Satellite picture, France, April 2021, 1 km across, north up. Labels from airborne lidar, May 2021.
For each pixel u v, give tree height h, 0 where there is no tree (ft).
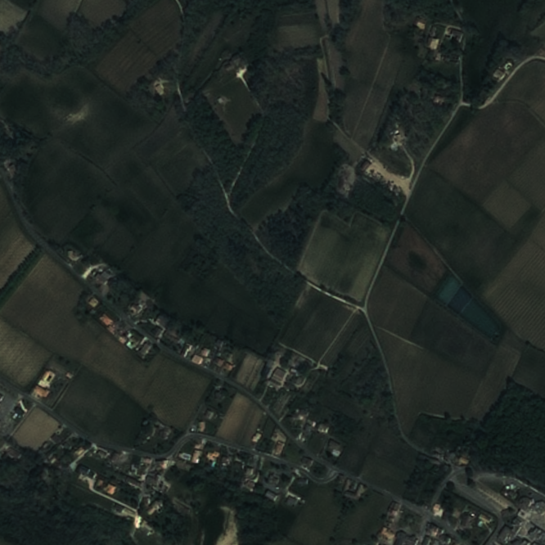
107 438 0
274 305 49
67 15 0
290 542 0
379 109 0
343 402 0
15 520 43
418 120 49
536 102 0
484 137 0
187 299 0
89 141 0
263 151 29
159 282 0
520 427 60
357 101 0
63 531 65
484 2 0
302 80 36
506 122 0
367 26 0
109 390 0
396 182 0
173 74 48
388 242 0
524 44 0
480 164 0
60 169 0
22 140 38
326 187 37
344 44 48
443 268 0
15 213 0
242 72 0
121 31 31
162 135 0
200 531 0
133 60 0
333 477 0
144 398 0
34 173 0
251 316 0
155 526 28
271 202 0
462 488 0
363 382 33
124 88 0
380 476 0
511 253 0
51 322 0
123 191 0
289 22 0
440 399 0
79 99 0
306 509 0
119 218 0
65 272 0
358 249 0
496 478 0
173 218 0
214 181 56
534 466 49
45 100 0
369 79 0
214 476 51
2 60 32
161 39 0
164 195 0
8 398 0
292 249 61
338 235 0
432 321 0
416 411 0
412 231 0
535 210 0
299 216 44
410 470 0
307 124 52
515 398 40
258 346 0
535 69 0
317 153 0
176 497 0
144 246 0
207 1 48
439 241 0
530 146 0
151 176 0
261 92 68
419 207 0
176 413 0
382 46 0
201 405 0
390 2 61
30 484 49
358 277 0
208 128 58
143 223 0
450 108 28
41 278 0
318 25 0
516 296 0
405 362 0
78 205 0
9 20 0
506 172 0
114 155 0
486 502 0
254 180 49
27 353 0
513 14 0
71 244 0
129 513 0
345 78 39
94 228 0
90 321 0
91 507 28
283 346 0
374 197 54
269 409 0
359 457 0
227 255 69
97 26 0
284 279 44
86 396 0
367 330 0
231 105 0
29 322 0
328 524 0
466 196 0
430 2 71
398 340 0
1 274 0
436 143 0
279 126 48
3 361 0
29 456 57
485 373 0
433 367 0
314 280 0
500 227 0
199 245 41
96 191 0
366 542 0
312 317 0
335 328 0
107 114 0
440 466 35
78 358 0
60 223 0
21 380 0
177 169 0
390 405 60
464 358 0
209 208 55
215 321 0
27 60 59
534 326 0
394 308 0
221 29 27
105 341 0
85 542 62
